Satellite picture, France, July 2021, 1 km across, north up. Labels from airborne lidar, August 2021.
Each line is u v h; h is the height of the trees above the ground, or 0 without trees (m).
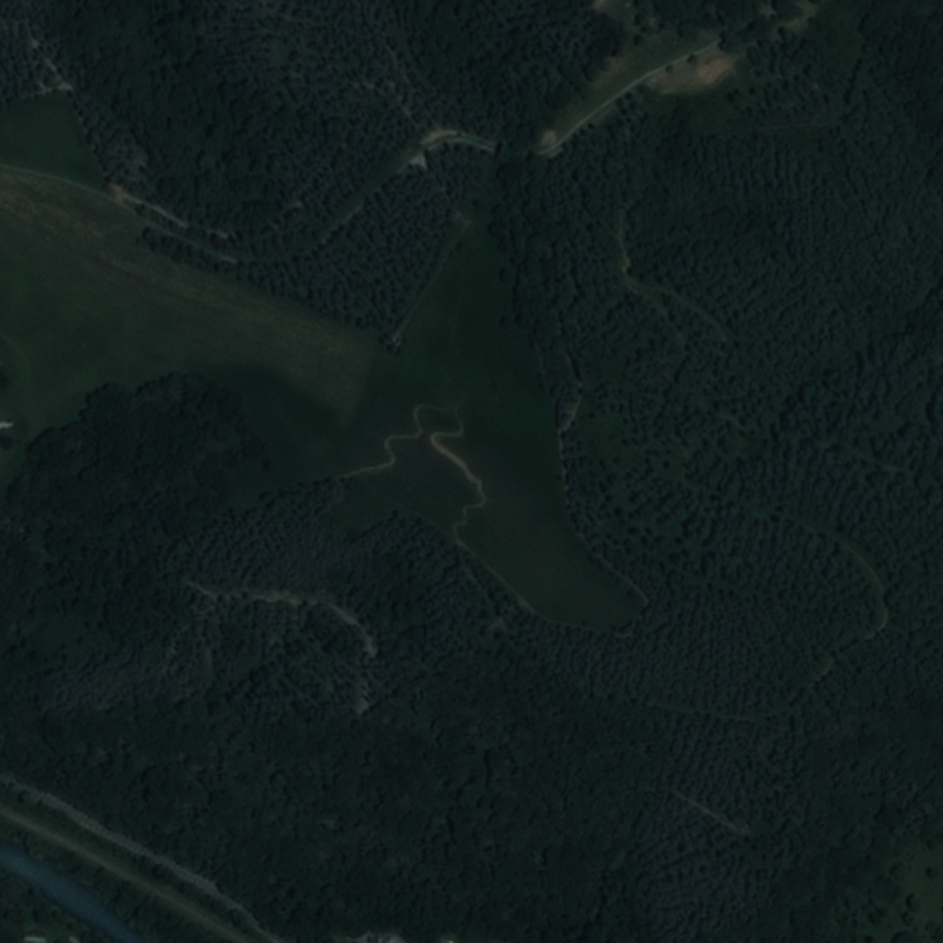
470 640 17
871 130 21
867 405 30
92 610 11
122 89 18
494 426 0
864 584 21
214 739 15
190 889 23
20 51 16
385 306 16
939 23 20
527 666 18
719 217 17
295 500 17
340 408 0
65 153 0
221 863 18
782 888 17
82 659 5
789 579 29
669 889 23
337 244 18
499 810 24
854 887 26
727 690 18
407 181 16
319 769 19
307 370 0
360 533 7
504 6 18
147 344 0
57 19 25
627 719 25
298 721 19
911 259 25
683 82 0
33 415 0
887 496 27
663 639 16
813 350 26
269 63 18
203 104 13
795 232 26
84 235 0
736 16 27
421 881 28
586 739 12
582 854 27
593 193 31
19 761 24
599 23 19
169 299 0
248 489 0
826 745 26
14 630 29
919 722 23
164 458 24
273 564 18
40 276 0
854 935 11
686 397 18
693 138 23
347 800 24
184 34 22
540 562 0
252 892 21
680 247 11
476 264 0
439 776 24
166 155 19
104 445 27
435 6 9
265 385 0
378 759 22
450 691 17
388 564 25
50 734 25
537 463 0
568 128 0
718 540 24
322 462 0
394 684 19
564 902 30
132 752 21
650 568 19
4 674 26
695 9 24
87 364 0
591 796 16
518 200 8
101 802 22
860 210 18
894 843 24
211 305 0
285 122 24
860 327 26
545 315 8
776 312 20
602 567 7
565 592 0
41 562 22
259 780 20
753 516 28
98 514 27
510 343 0
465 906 22
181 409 20
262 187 12
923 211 26
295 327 0
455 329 0
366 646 19
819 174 13
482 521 0
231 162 22
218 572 18
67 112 0
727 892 19
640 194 22
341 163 20
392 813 26
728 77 0
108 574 13
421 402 0
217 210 20
